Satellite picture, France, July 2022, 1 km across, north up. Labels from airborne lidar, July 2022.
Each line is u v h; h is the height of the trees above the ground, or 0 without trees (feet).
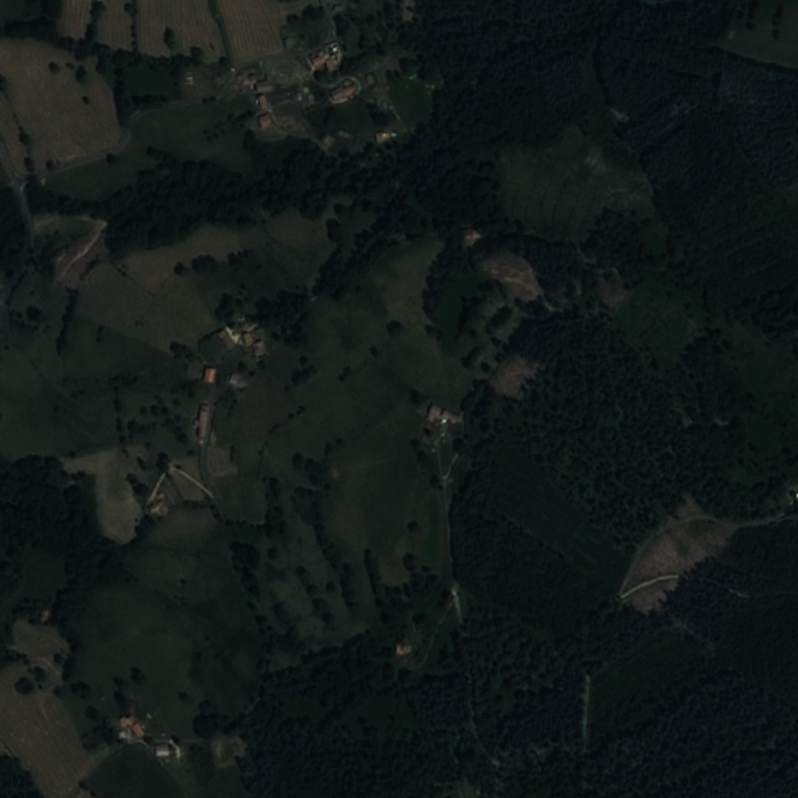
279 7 0
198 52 45
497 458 22
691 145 73
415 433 0
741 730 32
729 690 55
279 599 0
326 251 0
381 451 0
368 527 0
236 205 45
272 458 0
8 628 20
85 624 0
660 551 0
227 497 0
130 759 0
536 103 53
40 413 0
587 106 57
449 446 0
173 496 0
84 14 0
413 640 0
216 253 0
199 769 0
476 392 24
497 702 65
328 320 0
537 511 0
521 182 0
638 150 34
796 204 0
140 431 25
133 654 0
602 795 63
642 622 65
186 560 0
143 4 0
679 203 51
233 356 0
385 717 0
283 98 0
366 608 0
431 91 0
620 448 53
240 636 0
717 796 79
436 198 46
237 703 0
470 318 56
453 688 90
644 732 53
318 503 42
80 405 0
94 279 0
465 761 106
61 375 0
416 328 0
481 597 45
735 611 20
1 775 69
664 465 72
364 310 0
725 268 21
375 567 47
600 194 0
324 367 0
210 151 0
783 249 25
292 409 0
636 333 0
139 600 0
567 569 18
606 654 60
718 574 50
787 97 86
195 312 0
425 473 0
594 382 58
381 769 56
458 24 91
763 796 83
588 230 0
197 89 0
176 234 69
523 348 95
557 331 87
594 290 56
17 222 30
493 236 80
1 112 0
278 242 0
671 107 62
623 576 0
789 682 24
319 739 68
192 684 0
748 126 70
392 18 58
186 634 0
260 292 0
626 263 33
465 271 45
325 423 0
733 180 19
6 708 0
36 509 60
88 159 0
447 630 0
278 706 24
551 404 22
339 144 0
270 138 0
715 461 67
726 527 0
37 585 0
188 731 0
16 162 0
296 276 0
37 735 0
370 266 39
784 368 0
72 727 0
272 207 49
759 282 24
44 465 38
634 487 51
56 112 0
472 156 47
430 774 44
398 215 78
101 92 0
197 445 0
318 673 50
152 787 0
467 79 84
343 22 66
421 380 0
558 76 99
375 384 0
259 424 0
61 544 77
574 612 19
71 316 34
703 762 34
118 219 49
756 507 45
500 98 83
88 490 0
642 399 26
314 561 0
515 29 42
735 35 0
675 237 26
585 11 27
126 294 0
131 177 0
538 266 97
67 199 39
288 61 0
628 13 66
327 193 60
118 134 0
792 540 30
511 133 65
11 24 23
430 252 0
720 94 73
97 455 0
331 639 0
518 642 43
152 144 0
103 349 0
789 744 72
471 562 53
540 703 70
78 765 0
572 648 58
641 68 77
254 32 0
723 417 42
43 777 0
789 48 0
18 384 0
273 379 0
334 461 0
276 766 70
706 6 83
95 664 0
